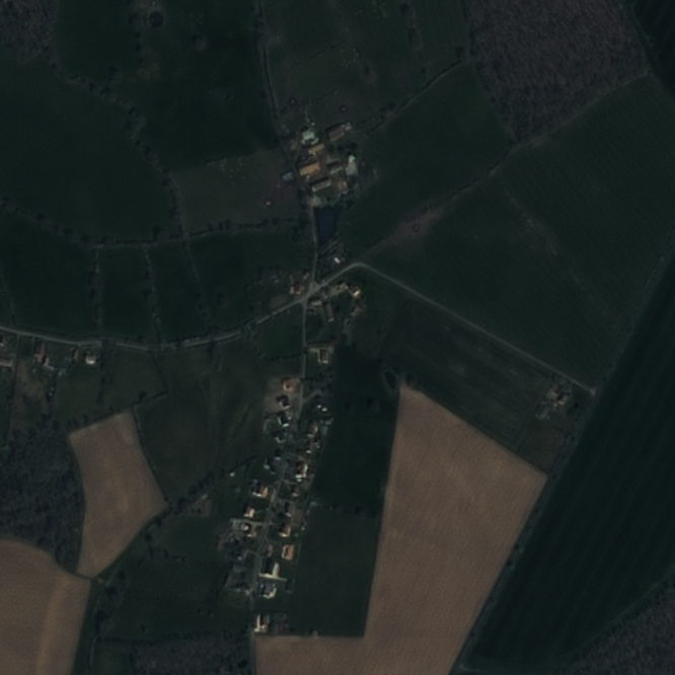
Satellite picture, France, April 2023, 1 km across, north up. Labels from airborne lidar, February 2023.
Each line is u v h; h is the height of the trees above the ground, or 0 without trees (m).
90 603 0
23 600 0
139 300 0
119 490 0
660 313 0
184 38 0
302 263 0
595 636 0
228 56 0
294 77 0
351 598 0
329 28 0
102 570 0
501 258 0
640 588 0
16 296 0
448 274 0
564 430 0
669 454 0
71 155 0
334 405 0
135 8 14
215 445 0
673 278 0
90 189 0
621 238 0
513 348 0
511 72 19
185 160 0
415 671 0
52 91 0
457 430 0
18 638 0
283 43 0
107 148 0
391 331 0
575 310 0
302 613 0
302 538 0
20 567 0
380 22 0
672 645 19
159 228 0
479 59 21
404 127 0
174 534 0
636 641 20
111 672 0
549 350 0
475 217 0
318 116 0
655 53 0
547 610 0
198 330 0
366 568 0
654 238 0
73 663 0
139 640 0
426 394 0
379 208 0
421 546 0
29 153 0
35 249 0
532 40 18
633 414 0
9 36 21
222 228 12
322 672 0
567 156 0
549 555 0
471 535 0
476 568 0
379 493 9
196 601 0
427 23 0
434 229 0
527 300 0
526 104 19
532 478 0
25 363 0
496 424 0
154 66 0
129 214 0
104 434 0
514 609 0
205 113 0
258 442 0
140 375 0
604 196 0
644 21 0
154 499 0
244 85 0
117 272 0
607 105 0
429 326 0
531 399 0
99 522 0
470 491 0
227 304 8
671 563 0
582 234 0
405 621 0
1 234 0
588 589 0
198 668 16
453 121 0
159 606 0
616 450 0
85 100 0
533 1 20
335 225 0
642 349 0
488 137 0
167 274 0
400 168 0
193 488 0
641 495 0
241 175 0
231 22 0
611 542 0
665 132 0
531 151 0
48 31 19
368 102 0
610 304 0
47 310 0
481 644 0
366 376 0
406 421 0
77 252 0
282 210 0
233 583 0
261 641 0
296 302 0
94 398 0
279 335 0
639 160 0
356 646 0
